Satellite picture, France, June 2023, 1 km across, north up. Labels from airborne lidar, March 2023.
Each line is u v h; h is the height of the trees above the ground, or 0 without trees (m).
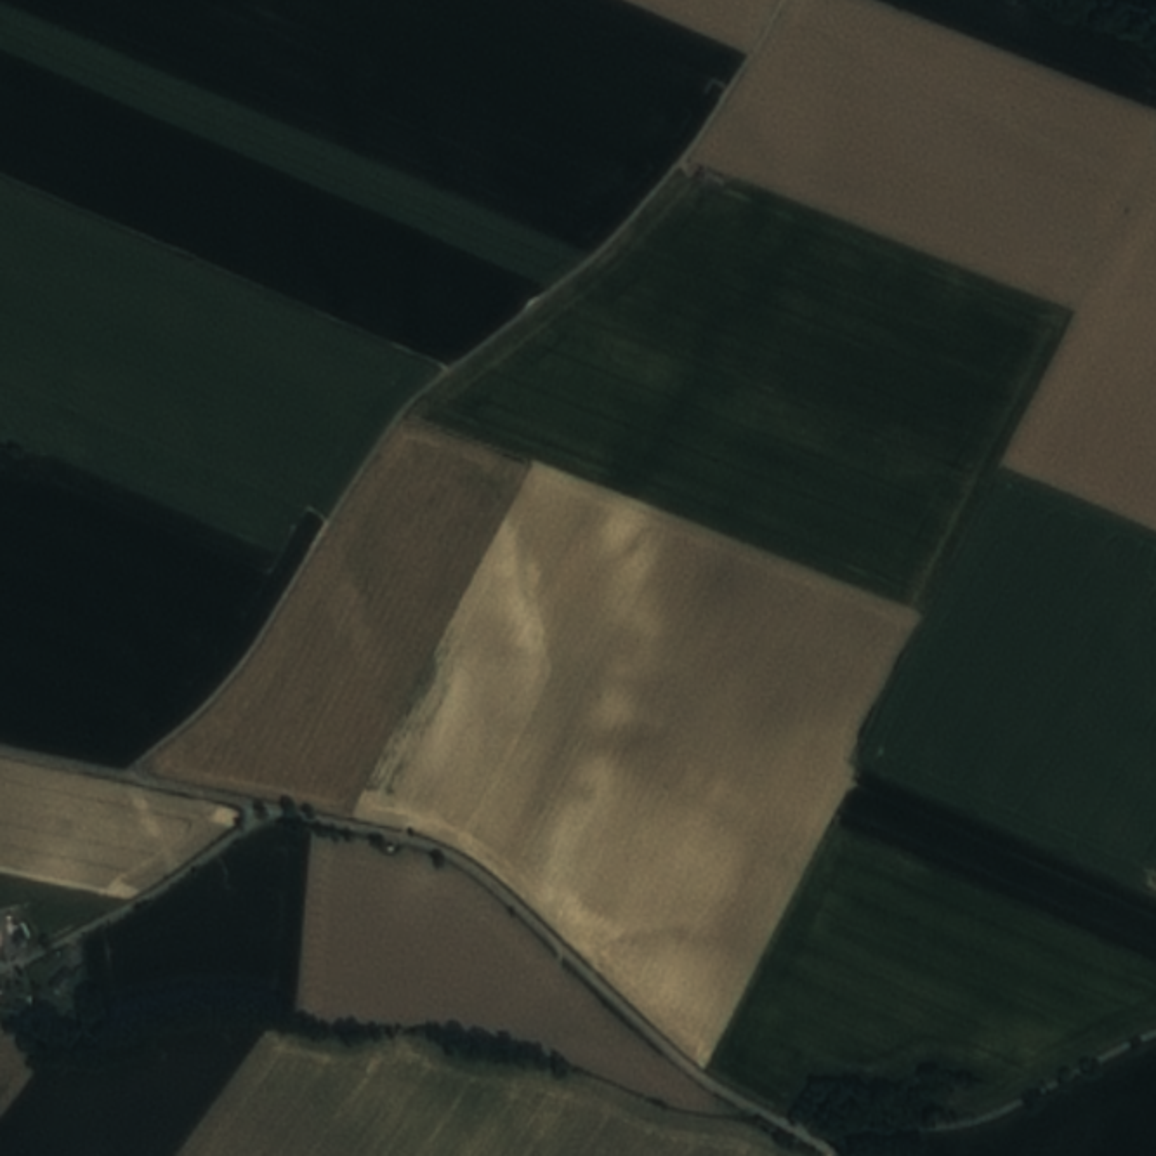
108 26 0
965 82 0
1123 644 0
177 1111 0
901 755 0
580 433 0
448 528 0
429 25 0
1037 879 0
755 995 0
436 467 0
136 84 0
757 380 0
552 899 0
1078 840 0
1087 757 0
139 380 0
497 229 0
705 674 0
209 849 0
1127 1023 0
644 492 0
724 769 0
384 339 0
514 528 0
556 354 0
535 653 0
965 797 0
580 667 0
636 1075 0
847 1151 19
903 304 0
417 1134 0
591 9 0
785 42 0
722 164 0
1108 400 0
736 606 0
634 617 0
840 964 0
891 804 0
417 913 0
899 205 0
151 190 0
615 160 0
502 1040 14
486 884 0
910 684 0
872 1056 0
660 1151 0
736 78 0
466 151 0
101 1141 0
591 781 0
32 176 0
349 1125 0
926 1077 14
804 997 0
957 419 0
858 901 0
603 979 0
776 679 0
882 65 0
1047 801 0
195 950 0
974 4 0
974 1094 0
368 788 0
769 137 0
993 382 0
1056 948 0
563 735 0
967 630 0
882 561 0
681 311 0
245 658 0
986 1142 0
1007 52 0
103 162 0
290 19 0
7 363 0
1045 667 0
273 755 0
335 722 0
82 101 0
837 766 0
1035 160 0
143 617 0
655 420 0
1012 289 0
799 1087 0
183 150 0
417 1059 0
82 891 0
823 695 0
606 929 0
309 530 0
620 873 0
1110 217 0
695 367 0
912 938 0
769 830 0
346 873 0
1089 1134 0
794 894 0
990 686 0
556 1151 0
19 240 0
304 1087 0
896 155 0
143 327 0
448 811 0
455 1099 0
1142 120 0
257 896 0
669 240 0
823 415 0
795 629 0
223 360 0
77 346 0
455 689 0
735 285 0
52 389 0
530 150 0
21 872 0
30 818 0
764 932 0
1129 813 0
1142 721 0
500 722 0
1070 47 0
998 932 0
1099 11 28
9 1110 0
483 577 0
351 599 0
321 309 0
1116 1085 0
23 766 0
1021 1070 0
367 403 0
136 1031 34
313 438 0
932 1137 0
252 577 0
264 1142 0
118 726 0
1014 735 0
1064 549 0
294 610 0
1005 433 0
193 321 0
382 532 0
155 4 0
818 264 0
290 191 0
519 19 0
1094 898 0
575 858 0
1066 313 0
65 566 0
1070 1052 0
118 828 0
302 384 0
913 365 0
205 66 0
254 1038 0
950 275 0
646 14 0
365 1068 0
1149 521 0
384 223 0
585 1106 0
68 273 0
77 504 0
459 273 0
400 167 0
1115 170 0
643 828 0
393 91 0
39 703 0
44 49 0
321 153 0
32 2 0
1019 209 0
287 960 0
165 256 0
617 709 0
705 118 0
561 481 0
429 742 0
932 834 0
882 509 0
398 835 0
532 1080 0
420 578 0
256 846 0
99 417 0
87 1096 0
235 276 0
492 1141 0
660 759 0
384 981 0
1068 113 0
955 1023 0
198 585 0
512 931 0
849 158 0
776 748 0
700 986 0
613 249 0
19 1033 26
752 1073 0
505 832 0
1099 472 0
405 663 0
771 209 0
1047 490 0
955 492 0
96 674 0
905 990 0
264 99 0
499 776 0
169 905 0
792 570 0
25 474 0
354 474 0
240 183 0
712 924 0
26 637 0
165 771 0
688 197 0
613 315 0
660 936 0
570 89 0
